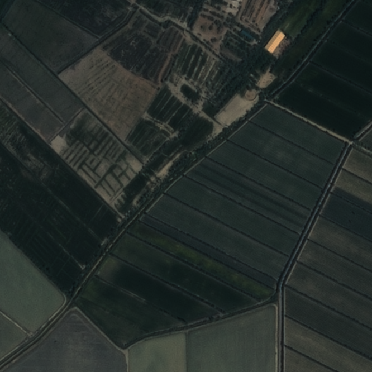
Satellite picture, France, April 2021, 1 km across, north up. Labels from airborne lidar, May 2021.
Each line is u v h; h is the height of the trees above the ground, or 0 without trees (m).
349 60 0
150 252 0
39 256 0
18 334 0
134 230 0
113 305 0
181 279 0
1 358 0
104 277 0
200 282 0
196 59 0
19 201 0
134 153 0
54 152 0
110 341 0
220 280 11
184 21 0
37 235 0
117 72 0
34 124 0
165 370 0
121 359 0
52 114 0
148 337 0
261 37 7
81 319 0
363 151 17
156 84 0
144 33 0
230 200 12
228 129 7
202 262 0
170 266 0
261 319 0
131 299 0
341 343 10
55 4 0
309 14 0
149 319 0
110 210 0
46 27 0
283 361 9
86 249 0
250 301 0
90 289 0
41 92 0
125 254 0
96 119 0
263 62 13
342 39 0
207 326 0
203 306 0
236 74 10
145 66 0
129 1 0
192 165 10
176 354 0
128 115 0
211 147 7
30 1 0
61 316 0
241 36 6
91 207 0
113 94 0
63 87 0
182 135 7
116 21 0
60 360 0
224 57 13
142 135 0
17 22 0
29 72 0
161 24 6
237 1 0
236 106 0
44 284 0
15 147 0
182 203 10
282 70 0
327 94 0
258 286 0
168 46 0
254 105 8
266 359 0
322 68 10
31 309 0
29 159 0
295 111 11
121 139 0
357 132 7
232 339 0
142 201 8
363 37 0
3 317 0
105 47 0
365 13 0
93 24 0
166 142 7
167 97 0
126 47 0
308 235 7
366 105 0
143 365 0
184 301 0
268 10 0
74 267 0
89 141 0
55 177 0
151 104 0
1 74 0
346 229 10
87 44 0
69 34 0
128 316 0
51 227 0
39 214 0
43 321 0
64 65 0
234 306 0
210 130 0
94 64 0
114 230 9
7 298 0
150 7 0
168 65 0
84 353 0
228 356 0
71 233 0
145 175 0
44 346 0
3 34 0
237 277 0
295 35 0
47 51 0
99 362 0
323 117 0
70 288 0
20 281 0
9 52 0
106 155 0
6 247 0
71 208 0
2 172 0
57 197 0
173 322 0
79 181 0
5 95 0
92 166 0
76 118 0
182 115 0
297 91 0
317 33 0
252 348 0
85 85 0
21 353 0
